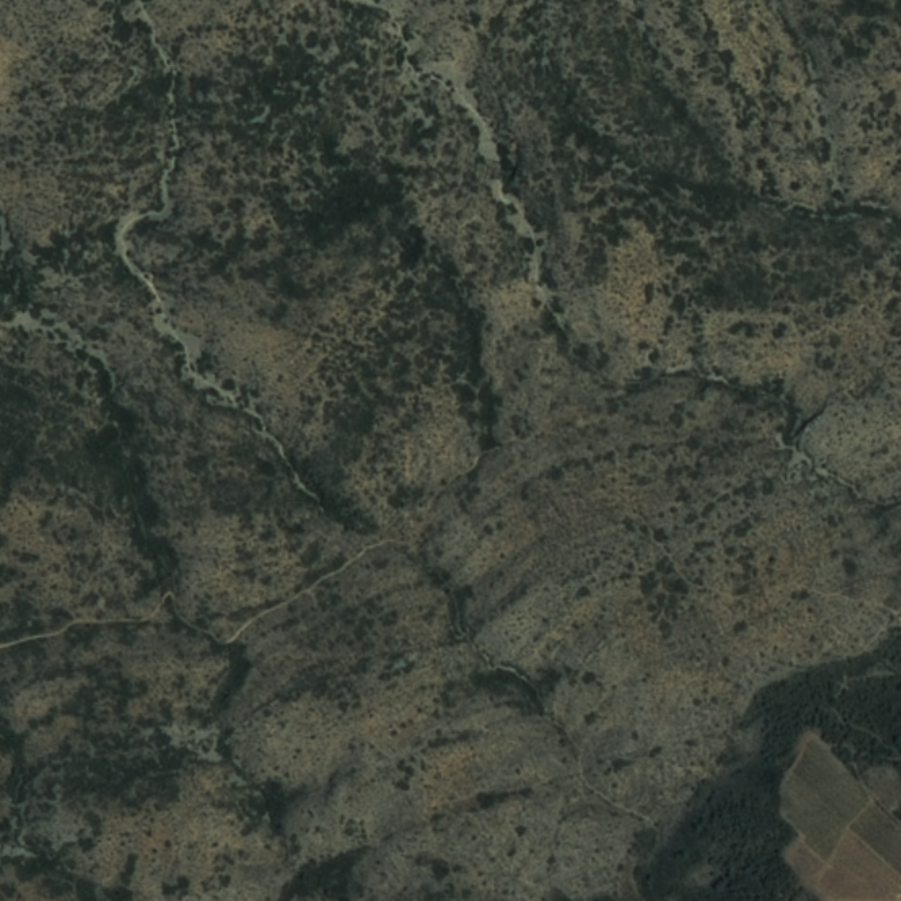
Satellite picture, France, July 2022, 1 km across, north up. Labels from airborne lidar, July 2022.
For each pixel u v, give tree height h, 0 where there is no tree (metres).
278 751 0
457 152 0
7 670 0
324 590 0
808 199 0
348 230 0
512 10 0
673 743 0
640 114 0
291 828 0
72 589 0
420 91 0
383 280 0
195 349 0
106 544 0
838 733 8
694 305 0
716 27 0
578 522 0
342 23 0
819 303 0
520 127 0
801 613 0
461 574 0
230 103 0
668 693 0
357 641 0
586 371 0
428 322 0
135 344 0
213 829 0
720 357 0
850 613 0
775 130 0
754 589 0
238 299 0
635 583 0
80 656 0
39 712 0
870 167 0
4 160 0
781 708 8
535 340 0
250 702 0
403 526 0
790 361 0
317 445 0
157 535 0
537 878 0
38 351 0
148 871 0
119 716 0
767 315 0
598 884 0
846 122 0
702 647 0
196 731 0
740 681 0
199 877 0
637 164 0
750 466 0
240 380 0
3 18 0
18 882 0
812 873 0
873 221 0
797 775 0
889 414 0
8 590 0
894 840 0
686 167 0
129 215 0
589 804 0
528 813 0
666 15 0
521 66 0
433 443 0
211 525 0
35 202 0
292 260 0
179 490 0
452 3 0
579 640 0
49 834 0
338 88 0
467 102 0
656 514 0
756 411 0
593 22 0
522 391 0
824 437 0
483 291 0
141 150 0
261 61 0
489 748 0
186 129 0
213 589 0
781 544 0
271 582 0
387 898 0
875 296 0
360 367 0
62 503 0
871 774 0
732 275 0
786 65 0
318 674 0
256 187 0
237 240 0
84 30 0
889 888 0
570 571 0
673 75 0
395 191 0
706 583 0
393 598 0
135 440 0
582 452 0
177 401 0
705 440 0
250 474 0
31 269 0
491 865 0
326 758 0
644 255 0
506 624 0
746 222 0
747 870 13
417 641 0
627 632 0
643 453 0
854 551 0
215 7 0
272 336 0
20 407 0
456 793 0
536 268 0
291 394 0
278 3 0
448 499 0
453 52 0
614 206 0
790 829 7
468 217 0
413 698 0
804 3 0
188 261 0
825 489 0
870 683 6
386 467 0
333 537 0
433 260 0
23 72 0
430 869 0
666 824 0
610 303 0
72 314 0
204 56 0
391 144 0
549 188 0
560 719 0
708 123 0
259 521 0
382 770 0
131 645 0
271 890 0
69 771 0
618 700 0
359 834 0
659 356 0
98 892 0
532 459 0
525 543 0
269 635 0
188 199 0
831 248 0
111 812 0
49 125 0
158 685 0
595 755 0
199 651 0
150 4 0
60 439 0
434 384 0
